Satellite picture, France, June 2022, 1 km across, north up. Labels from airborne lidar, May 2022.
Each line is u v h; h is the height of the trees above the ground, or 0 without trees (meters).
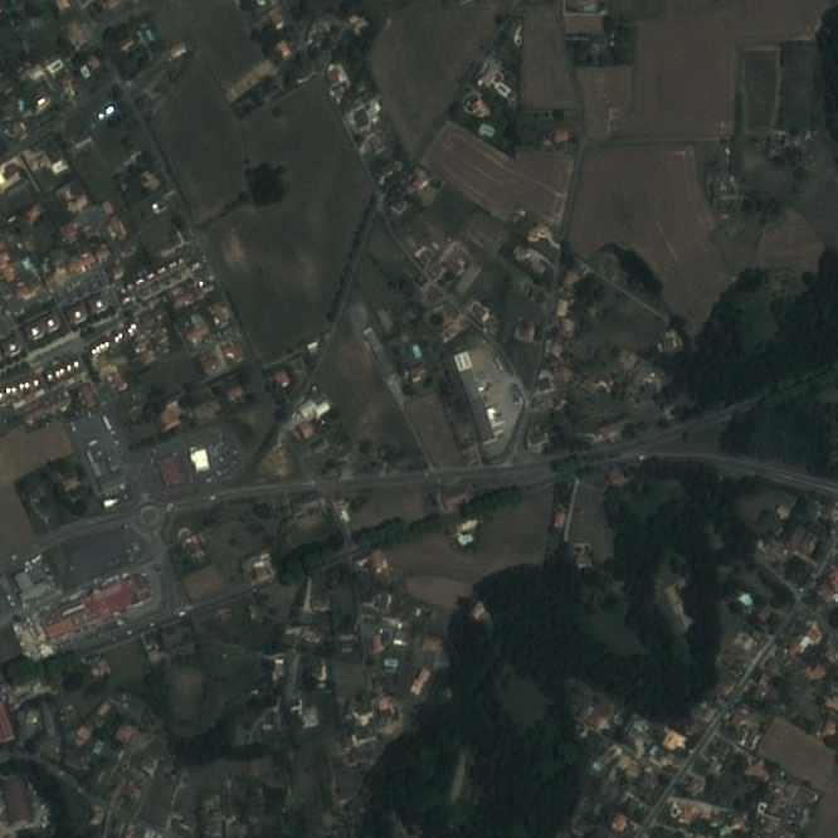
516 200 0
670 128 0
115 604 0
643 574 24
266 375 8
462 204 0
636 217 0
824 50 18
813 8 0
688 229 0
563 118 7
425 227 0
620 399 10
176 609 0
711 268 0
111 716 7
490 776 24
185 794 0
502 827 17
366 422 0
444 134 0
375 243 0
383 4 0
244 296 0
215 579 0
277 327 0
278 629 10
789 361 18
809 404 16
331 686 10
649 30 0
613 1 0
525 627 18
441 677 13
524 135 0
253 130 0
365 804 8
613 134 0
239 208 0
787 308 19
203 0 0
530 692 0
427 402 0
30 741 8
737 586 14
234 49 0
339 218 0
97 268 0
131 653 0
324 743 0
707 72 0
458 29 0
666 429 7
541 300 12
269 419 0
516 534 0
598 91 0
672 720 10
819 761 0
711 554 20
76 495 9
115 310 8
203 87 0
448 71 0
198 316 0
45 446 0
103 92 0
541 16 0
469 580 0
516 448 0
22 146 0
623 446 0
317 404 0
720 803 10
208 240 0
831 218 0
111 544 0
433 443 0
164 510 0
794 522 8
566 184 0
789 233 0
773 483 11
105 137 0
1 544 0
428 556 0
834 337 29
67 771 7
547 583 20
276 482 0
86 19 0
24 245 0
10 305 0
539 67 0
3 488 0
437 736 22
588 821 7
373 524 0
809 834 0
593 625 0
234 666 0
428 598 0
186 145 0
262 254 0
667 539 23
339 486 0
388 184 8
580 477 14
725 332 12
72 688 23
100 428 0
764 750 0
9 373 7
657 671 27
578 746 15
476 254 0
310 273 0
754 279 11
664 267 0
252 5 6
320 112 0
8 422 7
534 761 19
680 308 0
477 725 17
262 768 0
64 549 0
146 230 0
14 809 0
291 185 0
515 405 0
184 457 0
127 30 6
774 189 0
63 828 12
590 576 18
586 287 14
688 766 0
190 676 0
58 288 0
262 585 0
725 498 14
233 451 0
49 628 0
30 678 22
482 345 0
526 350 0
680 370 14
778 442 15
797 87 0
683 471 17
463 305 0
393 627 0
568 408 6
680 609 0
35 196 6
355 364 0
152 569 0
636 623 18
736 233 0
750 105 0
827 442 12
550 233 0
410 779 27
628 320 0
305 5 9
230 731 16
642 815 14
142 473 0
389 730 0
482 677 24
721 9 0
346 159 0
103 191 0
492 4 0
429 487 0
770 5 0
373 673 0
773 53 0
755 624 13
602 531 0
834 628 13
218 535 0
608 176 0
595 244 0
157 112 0
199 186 0
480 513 27
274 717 0
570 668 12
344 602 0
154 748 0
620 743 7
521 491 24
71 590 0
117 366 0
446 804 15
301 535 0
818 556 15
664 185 0
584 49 13
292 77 6
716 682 12
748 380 17
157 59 0
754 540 9
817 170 0
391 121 0
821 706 7
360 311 0
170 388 0
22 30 0
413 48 0
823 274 13
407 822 16
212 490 0
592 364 7
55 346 0
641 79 0
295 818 7
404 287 10
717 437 0
